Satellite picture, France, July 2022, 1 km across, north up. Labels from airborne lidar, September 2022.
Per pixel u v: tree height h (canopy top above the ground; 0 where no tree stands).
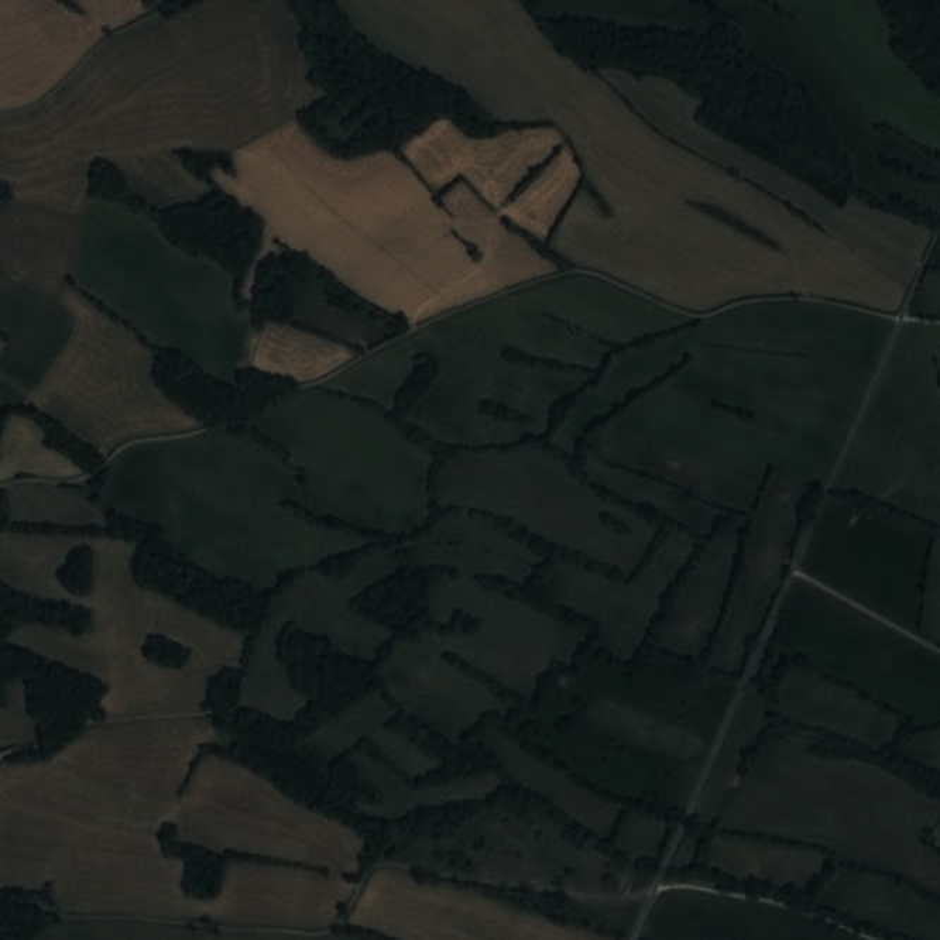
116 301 0
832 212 0
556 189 0
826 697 0
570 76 0
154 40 0
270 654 0
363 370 0
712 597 0
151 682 0
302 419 0
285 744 9
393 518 0
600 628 12
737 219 0
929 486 0
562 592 0
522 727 14
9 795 0
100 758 0
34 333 0
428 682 0
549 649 0
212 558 0
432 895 0
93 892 0
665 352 0
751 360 0
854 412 0
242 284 11
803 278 0
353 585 0
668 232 0
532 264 0
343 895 0
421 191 0
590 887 0
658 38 14
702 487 0
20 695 0
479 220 0
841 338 0
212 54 0
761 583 0
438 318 0
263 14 0
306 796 6
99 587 0
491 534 0
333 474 0
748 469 0
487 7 0
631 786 0
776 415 0
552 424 10
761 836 10
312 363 0
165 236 7
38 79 0
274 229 0
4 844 0
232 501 0
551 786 0
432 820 16
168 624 0
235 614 16
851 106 0
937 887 0
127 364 0
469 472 0
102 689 13
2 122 0
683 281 0
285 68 0
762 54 0
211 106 0
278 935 0
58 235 0
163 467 0
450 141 0
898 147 0
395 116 18
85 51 0
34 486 0
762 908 0
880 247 0
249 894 0
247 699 0
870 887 0
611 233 0
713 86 17
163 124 0
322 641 14
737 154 0
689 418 0
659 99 0
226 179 0
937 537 12
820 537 0
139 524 7
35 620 9
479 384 0
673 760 0
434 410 0
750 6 0
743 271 0
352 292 9
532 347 0
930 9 22
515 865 0
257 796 0
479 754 13
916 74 15
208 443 0
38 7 0
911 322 0
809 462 0
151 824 0
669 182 0
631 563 0
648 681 0
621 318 0
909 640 0
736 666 0
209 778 0
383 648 9
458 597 0
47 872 0
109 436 0
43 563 0
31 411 11
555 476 0
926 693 0
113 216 0
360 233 0
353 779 15
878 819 0
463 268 0
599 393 0
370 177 0
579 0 0
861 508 0
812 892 16
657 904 0
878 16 0
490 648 0
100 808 0
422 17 0
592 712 0
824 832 0
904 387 0
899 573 0
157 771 0
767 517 0
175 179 0
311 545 0
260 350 0
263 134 0
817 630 0
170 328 0
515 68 0
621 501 10
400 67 20
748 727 0
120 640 0
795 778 0
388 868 0
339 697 19
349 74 19
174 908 0
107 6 0
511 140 0
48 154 0
